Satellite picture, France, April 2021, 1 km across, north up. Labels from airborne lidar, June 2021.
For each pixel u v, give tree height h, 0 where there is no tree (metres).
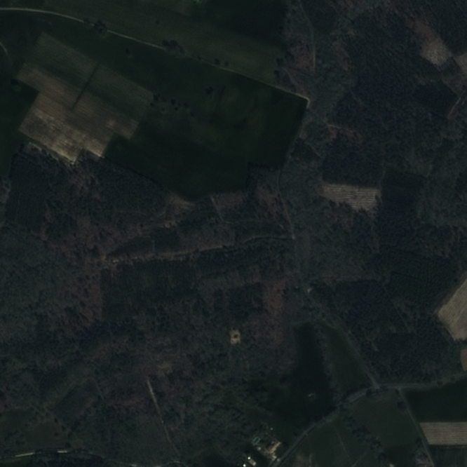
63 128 0
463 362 0
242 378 11
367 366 7
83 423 16
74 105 0
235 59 0
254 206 16
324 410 0
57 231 21
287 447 6
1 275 22
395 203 12
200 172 0
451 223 18
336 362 0
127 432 13
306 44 7
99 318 6
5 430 0
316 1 9
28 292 18
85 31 0
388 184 11
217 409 16
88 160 14
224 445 18
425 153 20
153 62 0
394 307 19
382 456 17
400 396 13
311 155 13
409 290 16
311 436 0
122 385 0
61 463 9
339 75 12
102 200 9
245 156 0
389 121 18
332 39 14
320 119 15
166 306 8
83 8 0
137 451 15
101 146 0
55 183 21
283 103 0
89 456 16
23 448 7
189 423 21
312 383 0
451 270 17
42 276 22
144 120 0
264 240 8
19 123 0
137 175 13
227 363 19
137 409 9
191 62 0
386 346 8
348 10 12
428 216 17
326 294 17
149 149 0
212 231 8
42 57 0
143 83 0
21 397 11
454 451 0
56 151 0
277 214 8
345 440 0
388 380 7
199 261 13
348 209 19
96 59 0
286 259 21
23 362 15
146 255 9
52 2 0
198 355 13
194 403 16
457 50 17
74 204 20
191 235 8
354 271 16
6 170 0
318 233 20
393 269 14
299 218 19
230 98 0
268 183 12
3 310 20
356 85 7
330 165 22
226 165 0
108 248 10
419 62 17
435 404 0
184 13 0
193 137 0
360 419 0
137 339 16
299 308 13
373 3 10
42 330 19
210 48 0
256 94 0
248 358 9
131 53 16
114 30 0
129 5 0
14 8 0
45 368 10
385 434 0
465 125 16
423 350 13
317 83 16
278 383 0
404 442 0
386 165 10
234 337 0
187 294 7
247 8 0
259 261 7
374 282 8
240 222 13
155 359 8
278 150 0
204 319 9
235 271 12
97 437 19
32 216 7
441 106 15
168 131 0
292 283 12
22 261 20
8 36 0
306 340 0
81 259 22
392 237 16
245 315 14
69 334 0
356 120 14
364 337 17
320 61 17
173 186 0
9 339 11
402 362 15
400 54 13
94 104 0
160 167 0
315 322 14
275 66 0
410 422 0
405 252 17
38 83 0
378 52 17
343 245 18
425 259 13
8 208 10
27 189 8
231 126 0
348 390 0
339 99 14
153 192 16
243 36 0
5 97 0
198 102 0
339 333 0
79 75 0
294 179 18
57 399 15
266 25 0
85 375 16
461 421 0
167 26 0
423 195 10
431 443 0
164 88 0
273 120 0
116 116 0
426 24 8
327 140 18
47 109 0
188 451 15
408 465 0
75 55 0
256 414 0
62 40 0
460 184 13
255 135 0
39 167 10
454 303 0
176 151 0
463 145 12
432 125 20
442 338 18
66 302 15
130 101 0
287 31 11
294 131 0
